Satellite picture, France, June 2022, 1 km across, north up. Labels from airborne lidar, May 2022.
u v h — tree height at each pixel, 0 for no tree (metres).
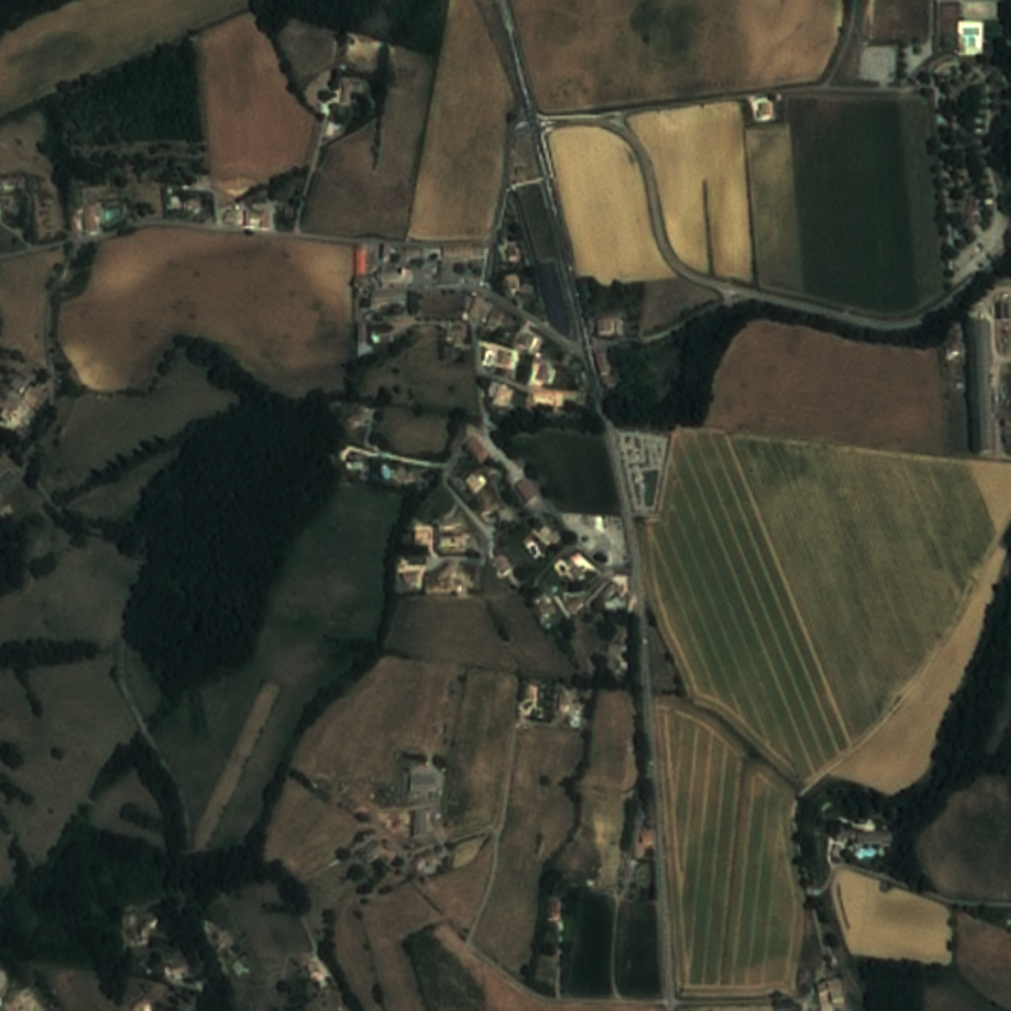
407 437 0
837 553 0
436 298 0
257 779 0
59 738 0
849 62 0
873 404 0
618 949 0
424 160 0
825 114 0
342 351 0
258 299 0
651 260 0
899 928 0
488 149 0
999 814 0
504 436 17
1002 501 0
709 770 0
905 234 0
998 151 15
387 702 0
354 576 0
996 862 0
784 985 0
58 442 9
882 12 0
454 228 0
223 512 22
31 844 0
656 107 0
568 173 0
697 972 0
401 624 0
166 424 0
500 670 0
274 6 15
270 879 10
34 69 0
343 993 10
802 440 0
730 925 0
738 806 0
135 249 0
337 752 0
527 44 0
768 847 0
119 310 0
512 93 0
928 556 0
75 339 0
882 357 0
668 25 0
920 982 13
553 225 0
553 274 0
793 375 0
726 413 0
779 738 0
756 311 19
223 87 0
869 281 0
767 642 0
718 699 0
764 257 0
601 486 0
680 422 15
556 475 0
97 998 0
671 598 0
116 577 0
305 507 18
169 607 21
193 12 0
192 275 0
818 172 0
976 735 8
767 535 0
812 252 0
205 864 14
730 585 0
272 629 0
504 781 0
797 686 0
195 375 0
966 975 0
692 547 0
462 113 0
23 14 11
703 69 0
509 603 0
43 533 0
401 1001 0
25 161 0
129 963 9
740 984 0
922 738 0
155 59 13
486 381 9
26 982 0
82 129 10
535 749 0
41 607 0
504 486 10
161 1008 8
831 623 0
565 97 0
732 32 0
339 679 7
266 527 19
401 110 0
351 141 0
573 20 0
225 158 0
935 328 17
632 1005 0
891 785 0
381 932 0
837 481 0
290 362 0
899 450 0
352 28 8
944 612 0
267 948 0
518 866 0
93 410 0
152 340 0
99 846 10
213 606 20
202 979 7
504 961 0
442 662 0
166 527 21
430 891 0
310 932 0
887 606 0
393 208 0
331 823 0
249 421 13
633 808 10
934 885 8
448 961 0
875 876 0
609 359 10
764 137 0
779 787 0
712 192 0
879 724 0
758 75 0
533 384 0
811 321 17
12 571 19
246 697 0
